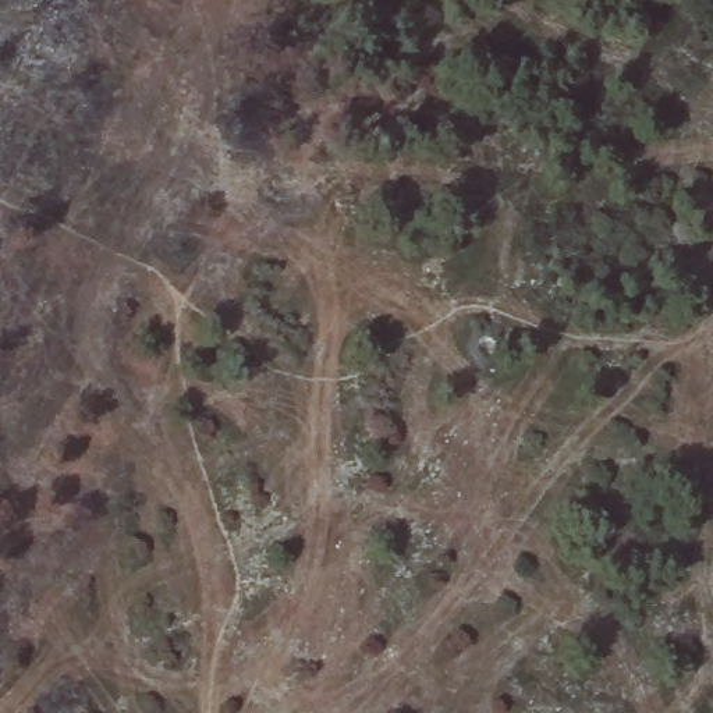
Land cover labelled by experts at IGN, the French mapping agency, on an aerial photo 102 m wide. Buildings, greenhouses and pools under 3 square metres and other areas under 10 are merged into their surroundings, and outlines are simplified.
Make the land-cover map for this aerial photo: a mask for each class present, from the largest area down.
<instances>
[{"label":"herbaceous vegetation","instance_id":"1","mask_svg":"<svg viewBox=\"0 0 713 713\"><path fill-rule=\"evenodd\" d=\"M710 84L699 89L688 103V123H682L680 128H668V142L643 148L649 162L674 167L680 173V181L688 187L696 181L699 164L713 167V61L705 64ZM304 117L318 114V125L309 142L298 145L292 134L270 136L267 142L273 159L251 164L256 170V201H226V209L217 217H198V226L209 228L206 240L201 242L198 273L170 279L162 270V265H145V270L156 279V284H150L148 292L159 318L164 323H173V345L150 357H139L134 348H125L123 354V362L128 368L150 376L142 415L131 407H117L106 412L97 423H89L78 418V404L67 398L64 407L56 412L53 423L42 429L36 446L28 454L8 460L11 482L19 487H36V507L31 515L33 546L25 557H0V713H86L81 707V680H86L89 674H106L114 682L120 677H136L150 691L164 694V699L178 688H189L198 694V705L203 713H713V315L702 318L691 331L680 337H668L660 329L646 326L629 334L565 331L554 320H540V315L526 301L501 298L496 304L493 298H454L443 276V262L429 259L423 265H407L393 251L382 248V242L365 240L362 209L382 203V184L401 175L415 178L418 187L423 181L451 184L460 175L426 159L398 156L390 164H373L345 156V150L359 142L357 131L348 125V114L329 95L309 97L298 106ZM251 256L287 259L281 276L284 287H295L301 279H306L312 304L301 312V323L318 331L312 362L304 368L292 354H281L265 362L256 376L234 382L228 390H220L214 382L195 376L192 362L181 359L184 343H189L195 331L187 312H217L223 301H234L240 295V287L245 284L242 267ZM473 312H487L518 323L510 331V354H521V337H532L540 354L551 345H560L563 351L596 345L602 351H616L641 345L649 351H660L666 362H677L680 376L671 390L668 421L649 432L657 440H663L668 451L671 471L682 473L691 482V493L699 501V510L691 515V526L702 529V563L691 565L688 582L660 596L663 613L655 616L652 624L655 632L666 635L696 632L707 649V657L696 671L677 668L674 655L666 649L657 666L649 660H638L627 643L618 641L616 618L596 616L593 596L560 571L554 549L549 543V526H540L532 518L535 507L557 485V479L563 473H571L577 462L585 460V457L590 440L568 434L543 460L521 462L515 457L524 440L510 437L518 421V412L512 409V395L487 382L476 384V368H465L451 340V320ZM382 315L401 320L404 334L418 343L412 370L407 373L401 393L409 446L418 454L421 485L415 493L354 490L348 479L365 471V462L348 460L345 443L331 440V423L340 421V393L359 390L357 370H337L343 334L357 323L376 320ZM189 387L201 390L209 407L228 415L245 432L242 440H226L223 434H201L192 421L175 415L173 407ZM248 460L259 462L265 473L270 496L265 510L253 504ZM131 510H139V526L153 535V549H145L136 538L125 535L123 515ZM390 518L407 521L409 554H395L379 538L370 535L376 524ZM290 535L304 538V551L298 563L287 574L262 577V568L267 565V546ZM446 549H457V571L451 574V582L434 599L426 602L412 577L421 574V568L440 557ZM181 629L189 632L195 649L192 657L184 660V668L173 671L164 666V660L170 657L167 635ZM582 507L607 510V524L624 526L629 521V507L618 493L590 485L582 496Z\"/></svg>","mask_w":713,"mask_h":713},{"label":"coniferous trees","instance_id":"2","mask_svg":"<svg viewBox=\"0 0 713 713\"><path fill-rule=\"evenodd\" d=\"M713 61V0H0V557H25L33 546L31 515L36 507V487H19L11 482L8 460L28 454L36 446L42 429L53 423L56 412L64 407L67 398L78 404V418L89 423H97L106 412L117 407H131L142 415L150 376L128 368L123 362V354L125 348H134L139 357H150L142 348V331L150 320L159 318L148 292L150 284H156V279L145 270V265H162V270L170 279L198 273L201 242L206 240L209 228L198 226V217H217L226 209V201H256V170L251 164L273 159L267 142L270 136L292 134L298 145L309 142L318 125V114L304 117L298 106L309 97L329 95L348 114V125L357 131L359 142L345 150V156L373 164H390L398 156L426 159L460 175L451 184V192L462 201V237L454 240L451 253L443 262V276L454 298H493L496 304L501 298L526 301L540 315V320H554L565 331L629 334L646 326L660 329L668 337H680L691 331L702 318L713 315V167L699 164L696 181L688 187L680 181V173L674 167L649 162L643 148L668 142V128H680L682 123H688V103L699 89L710 84L705 64ZM590 465V485L618 493L629 507V521L624 526L607 524L604 543H593L590 554L613 557L618 574L638 568L641 596H660L688 582L691 565L702 563V529L691 526V515L699 510V501L691 493V482L682 473L671 471L668 451L646 454L638 465H618L616 460L585 457V460ZM666 649L674 655L677 668L696 671L707 657V649L696 632L666 635Z\"/></svg>","mask_w":713,"mask_h":713},{"label":"brushwood","instance_id":"3","mask_svg":"<svg viewBox=\"0 0 713 713\"><path fill-rule=\"evenodd\" d=\"M365 240L382 242V248L393 251L407 265H423L429 259L443 262L451 253L454 240L462 237V201L451 192V184L423 181L418 187L415 178L401 175L382 184V203L362 209ZM287 259L251 256L242 267L245 284L240 287V295L234 301H223L217 312H187L195 331L189 343H184L181 359L192 362L195 376L214 382L220 390H228L234 382L256 376L265 362L281 354H292L304 368L312 362L318 331L301 323V312L312 304L306 279H301L295 287H284L281 276ZM518 323L487 312H473L451 320V340L465 368H476V384L487 382L512 395V409L518 412V421L510 437L524 440L515 457L521 462L543 460L568 434L590 440L585 457L616 460L618 465H638L646 454L668 451L663 440H657L649 432L668 421L671 390L680 376L677 362H666L660 351H649L641 345L616 351H602L596 345L563 351L560 345H551L540 354L532 337H521V354H510V331ZM418 343L404 334L401 320L382 315L376 320L357 323L343 334L337 370H357L359 390L340 393V421L331 423V440L345 443L348 460L365 462V471L348 479L354 490L415 493L421 485L418 454L409 446L401 393L407 373L412 370ZM173 345V323H164L159 318L150 320L142 331V348L150 357ZM175 415L192 421L201 434H223L226 440H242L245 432L228 415L209 407L201 390L189 387L173 407ZM253 504L265 510L270 496L265 473L259 462L248 460ZM590 485V465L585 460L577 462L571 473H563L557 479V485L535 507L532 518L540 526H549V543L554 549L560 571L593 596L596 616L616 618L618 641L627 643L638 660H649L657 666L666 649V635L655 632L652 624L655 616L663 613L660 596H641L638 568L618 574L613 557L590 554L593 543H604L607 524V510L582 507V496ZM125 535L136 538L145 549H153V535L139 526V510H131L123 515ZM370 535L379 538L395 554H409L407 521L390 518L376 524ZM304 551V538L290 535L267 546V565L262 568V577L287 574L298 563ZM457 571V549H446L440 557L421 568V574L412 577L426 602L434 599L451 582V574ZM195 649L189 632L181 629L167 635L170 657L164 660V666L173 671L184 668V660L192 657ZM81 707L86 713H203L198 705V694L189 688H178L164 699V694L150 691L136 677H120L114 682L106 674H89L86 680H81Z\"/></svg>","mask_w":713,"mask_h":713}]
</instances>
